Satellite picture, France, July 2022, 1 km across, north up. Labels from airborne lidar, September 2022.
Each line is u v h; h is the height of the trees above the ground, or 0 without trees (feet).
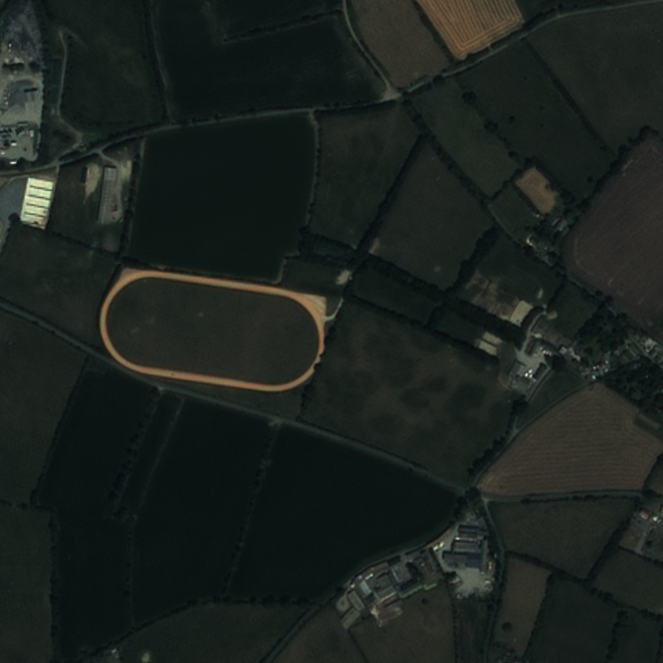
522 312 0
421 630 0
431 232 0
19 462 0
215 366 0
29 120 0
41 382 0
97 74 0
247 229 0
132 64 0
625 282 0
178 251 0
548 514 0
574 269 0
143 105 0
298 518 0
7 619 0
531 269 0
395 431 0
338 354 0
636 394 25
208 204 0
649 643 0
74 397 27
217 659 0
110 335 0
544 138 0
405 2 0
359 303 36
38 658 0
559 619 0
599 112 0
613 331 33
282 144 0
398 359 0
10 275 0
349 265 28
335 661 0
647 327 0
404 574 0
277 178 0
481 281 0
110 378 0
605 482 0
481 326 43
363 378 0
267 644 0
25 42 0
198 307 0
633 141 40
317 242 31
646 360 32
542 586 0
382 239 0
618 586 0
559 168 0
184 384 0
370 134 0
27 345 0
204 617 0
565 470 0
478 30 0
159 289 0
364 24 0
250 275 0
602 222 0
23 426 0
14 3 0
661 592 0
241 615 0
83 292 0
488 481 0
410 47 0
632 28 0
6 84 0
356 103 19
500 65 0
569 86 0
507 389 0
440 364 0
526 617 0
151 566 0
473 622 0
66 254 0
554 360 44
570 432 0
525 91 0
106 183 0
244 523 35
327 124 0
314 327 0
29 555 0
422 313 0
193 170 0
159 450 0
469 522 0
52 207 26
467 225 0
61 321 0
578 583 30
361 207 0
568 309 0
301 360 0
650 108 0
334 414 0
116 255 30
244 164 0
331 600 18
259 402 0
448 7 0
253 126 0
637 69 0
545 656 0
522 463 0
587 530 0
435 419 0
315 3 0
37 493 30
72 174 0
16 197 0
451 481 0
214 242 0
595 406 0
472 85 0
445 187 0
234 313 0
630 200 0
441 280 0
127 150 0
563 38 0
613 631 27
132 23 0
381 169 0
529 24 34
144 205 0
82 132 0
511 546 0
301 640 0
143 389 0
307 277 0
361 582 0
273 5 0
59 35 0
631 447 0
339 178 0
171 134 0
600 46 0
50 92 28
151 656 0
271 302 0
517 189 21
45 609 0
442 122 0
